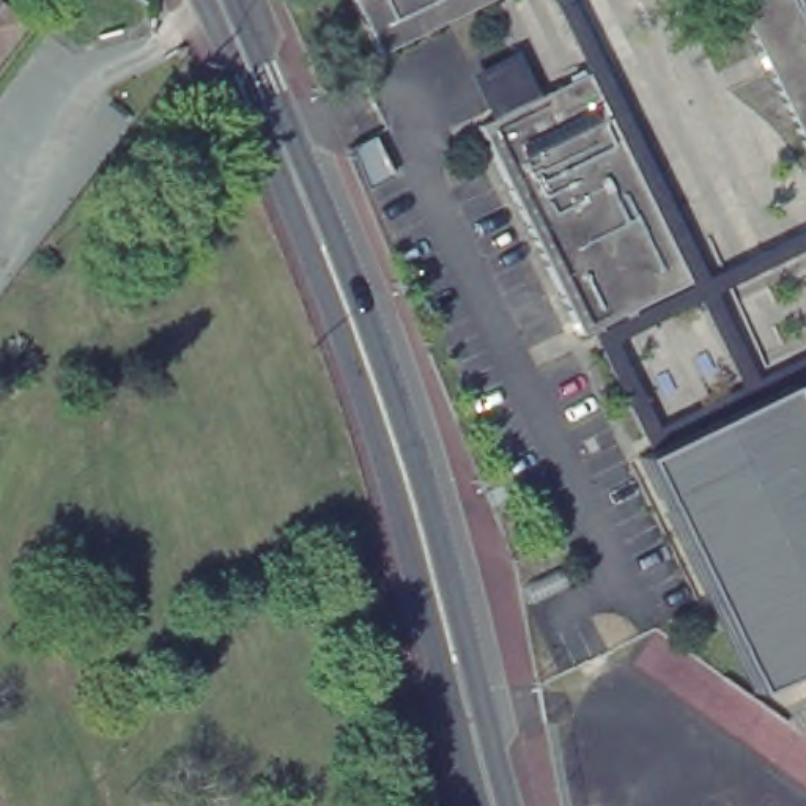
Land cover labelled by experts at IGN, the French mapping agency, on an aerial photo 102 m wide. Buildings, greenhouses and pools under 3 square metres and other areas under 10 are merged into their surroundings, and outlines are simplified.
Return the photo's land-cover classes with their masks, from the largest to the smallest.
<instances>
[{"label":"impervious surface","instance_id":"1","mask_svg":"<svg viewBox=\"0 0 806 806\"><path fill-rule=\"evenodd\" d=\"M154 19L142 25L104 31L91 44H69L60 35L47 38L0 101V293L31 264L35 249L41 246V239L54 233L60 217L72 208L94 176L98 164L116 148L120 135L132 126L126 116V101L110 104V85L135 72H145L157 63L189 60V72L198 85H230L242 110L261 116L264 154H280V167L268 173V189L258 192L274 227L280 255L287 261V271L305 305L337 403L343 409L346 431L365 482L362 501H372L381 516L403 644V652L397 655L403 677L400 686L387 696V702L400 724L425 734V768L431 775V787L416 793L419 806H806V680L790 690H781L778 699L765 690H740L699 655H683L671 649L667 630L661 627L667 620H677L674 608L696 598L686 567L680 560L664 557V548L674 545L671 532L661 529L655 504L645 501V491L630 475L627 453L636 447L645 450L649 434L642 419L630 409L620 422H608L598 412V403L605 400V384L592 372V349L570 353V343L560 337L564 327L548 302V290L542 277L532 271V261L526 258L529 246L519 227L510 220V211L501 205L488 170L472 183H460L453 173L444 170V148H453L457 142L469 139L479 142L482 135V129L491 126L501 113L488 107V98L479 85L482 66L494 69L510 57H523L535 88L542 94H551L567 88L570 79L564 72L573 63H582V47L557 0H519L513 13H497V28L507 35V44L497 54H479L472 28H460L457 35L450 28L434 31V38L425 41L419 54L394 63L390 79L381 76V94L372 85L359 82L346 91L327 88L334 85V72L321 60L315 63L305 41V35L296 31L293 13L287 9L293 0H148ZM368 142H381L394 164L384 183L372 179L365 167L362 145ZM394 252H403L412 274L428 290V302L444 315V340L457 359L460 381L479 397L475 412L491 416L504 453L510 457V463H516L519 485L532 488L560 519L564 548L576 554L589 570H595L586 589L573 592L567 586L557 595L529 608V620L532 627H538L551 661L560 671L579 664L582 674L592 677V686L582 696L551 693L542 680L532 686V661L526 639L519 633L516 601L513 589V567L523 560L510 545L507 516L501 510L507 491L488 488L479 479L475 460L466 453L457 416L450 412L447 384L431 353H425V343L416 337L409 324V312L403 305L406 283H394L387 271ZM601 614L623 617L630 627H636L630 633L633 645L611 667L601 658L605 639L595 630V617ZM696 214V224L712 249V258L727 261L771 236H781L806 224V151L784 148L778 132L734 94L737 85L759 79L765 69L759 66V57H746L734 66L715 69L705 50L702 44H690L683 50H671L667 19L655 16L658 0H589ZM768 368L806 349V252L765 268L762 274L743 280L730 293ZM633 349L642 368L649 372L652 384L658 387V397L667 412L686 409L699 400L705 406H715L730 394L734 384H740V365L724 346L712 315L693 312L671 318L658 327L639 331L633 337Z\"/></svg>","mask_w":806,"mask_h":806},{"label":"herbaceous vegetation","instance_id":"2","mask_svg":"<svg viewBox=\"0 0 806 806\"><path fill-rule=\"evenodd\" d=\"M154 19L148 0H79L76 16L66 22L60 35L69 44H91L104 31L142 25ZM287 9L293 13L296 31L305 35V41L315 44L334 25L356 28L362 22L353 0H293ZM771 47L756 22L743 44H721L705 50L715 69L734 66L746 57H768ZM198 85L189 72V60L157 63L145 72H135L110 85V104L126 101V116L132 126L120 135L116 148L98 164L94 176L120 167L132 151V142L167 145V129L173 123H154L157 104L173 101L179 91ZM734 94L778 132L784 148L806 151V120L800 101L787 88L784 72H778L775 66L765 69L759 79L737 85ZM35 340L47 353L44 368L22 375L9 394H0V677L22 658L16 649L3 645L6 623L19 614V608L9 598L13 557L22 551L28 538H35L54 519L66 529L69 538L85 542L88 560L126 570L132 623L145 627L151 623V601L161 608L164 601H173L179 592L198 586L189 570L208 554L252 551L264 564L268 557L290 554L293 545L287 538H274V532L296 510L309 507L324 529L353 532L349 551L356 554L362 579L372 586L375 595L372 605L362 611L368 614V627L375 630V636L397 642V655L403 652V644L381 516L372 501H362L365 482L346 431L343 409L337 403L305 305L287 271V261L280 255L274 227L258 192L249 198L246 214L239 217L236 242L224 249L208 246L202 258L189 268L183 287L161 302L129 290L120 296H94L82 287V280L66 277L63 268L57 274H47L31 264L0 293V346L19 349ZM142 346L151 372L170 365L176 390H164L161 397L142 400L135 390L120 384L113 360L116 349ZM66 365L91 368L101 381L120 384L116 397L107 403V409H101L98 419L66 422L60 416L63 400L57 381ZM88 217H82L72 208L60 217L54 233L41 239V246L60 249L66 258L85 242ZM557 576L551 564L523 560L513 567V589L523 582L538 586ZM677 620L696 617L712 630L699 655L740 690H756L752 680L743 674V661L737 658L730 639L715 627V608L696 598L674 608ZM519 633L526 639L532 661V686L542 680L551 693L582 696L592 686V677L582 674L579 664L560 671L551 661L538 627H532L529 620V608L516 601ZM595 630L605 639L601 658L611 667L633 645L630 633L636 627H630L623 617L601 614L595 617ZM148 645L154 655L167 652L179 658L183 667L208 671L205 683L198 686L205 693V702L198 708L195 724L173 708L161 718H151L132 740H98L94 734L82 730L76 718L72 693L79 671L63 661L22 664V705L9 715V721H0V806H170L132 797V790L139 787V775L145 768L157 771L164 752L176 746H186L198 762H211V771L224 778L230 790L239 797H246L252 787H274L296 800L324 793V762L337 746L340 721L331 718L305 693V671L312 652L309 639L299 633L261 636L246 630L233 639L217 636L214 642L186 639L170 630L151 636Z\"/></svg>","mask_w":806,"mask_h":806},{"label":"deciduous trees","instance_id":"3","mask_svg":"<svg viewBox=\"0 0 806 806\"><path fill-rule=\"evenodd\" d=\"M79 0H9V9L22 28L41 31L47 38L60 35L66 22L76 16ZM765 0H658L655 16L667 19L671 50H683L690 44H702L705 50L721 44H743L756 22ZM368 38L362 22L356 28L334 25L315 44L305 41L315 63L321 60L334 72V85L327 88L346 91L359 82L372 85L381 94V76L375 57H359V44ZM154 123H173L167 129V145L132 142V151L120 167L94 176L72 208L82 217H88L85 242L66 258L60 249L41 246L35 249L31 264L47 274H57L63 268L66 277L82 280V287L94 296H120L129 290L161 302L183 287L189 268L202 258L208 246L224 249L236 242L239 217L246 214L249 198L258 192L268 189V173L280 167V154H264L261 116L242 110L230 85H198L179 91L173 101L157 104ZM387 271L394 283H406L403 305L409 312V324L416 337L425 343V353H431L447 384L450 412L457 416L466 453L475 460L479 479L488 488L507 491L501 510L507 516L510 545L523 560L551 564L557 576H564L567 586L573 592L586 589L595 570H589L576 554L564 548L560 519L532 488L519 485L516 463H510V457L504 453L491 416L475 412L479 397L460 381L457 359L444 340V315L428 302V290L412 274L403 252H394ZM47 353L35 340L19 349L0 346V394H9L22 375L44 368ZM113 360L120 384L135 390L142 400L161 397L164 390H176L170 365L151 372L142 346L116 349ZM120 384L101 381L91 368L66 365L57 381L63 400L60 416L66 422L98 419L101 409H107V403L116 397ZM598 412L608 422H620L630 409V403L617 390V381L605 384V400L598 403ZM274 538H287L293 545L290 554L268 557L264 564L252 551L208 554L189 570L198 586L179 592L173 601H164L161 608L151 601V623L145 627L132 623L126 570L88 560L85 542L69 538L66 529L54 519L35 538H28L22 551L13 557L9 598L19 608V614L6 623L3 645L16 649L22 658L0 677V721H9V715L22 705V664L63 661L79 671L72 693L76 718L82 730L94 734L98 740H132L151 718H161L173 708L195 724L198 708L205 702V693L198 686L205 683L208 671L183 667L179 658L167 652L154 655L148 645L151 636L170 630L186 639L214 642L217 636L233 639L246 630L261 636L299 633L309 639L312 652L305 671V693L331 718L340 721L337 746L324 762V793L296 800L274 787H252L246 797H239L230 790L224 778L211 771V762H198L186 746H176L164 752L157 771L145 768L139 775V787L132 790V797L170 806H419L416 793L431 787V775L425 768V734L400 724L387 702V696L400 686L403 677L397 655V642L375 636V630L368 627V614L362 611L372 605L375 595L372 586L362 579L356 554L349 551L353 532L324 529L309 507L296 510L274 532ZM667 630L671 649L683 655H699L712 630L696 617L677 620H667L661 627Z\"/></svg>","mask_w":806,"mask_h":806},{"label":"building","instance_id":"4","mask_svg":"<svg viewBox=\"0 0 806 806\"><path fill-rule=\"evenodd\" d=\"M22 44V28L9 9V0H0V69ZM362 22L368 38L359 44V57H375L381 76L390 79L394 63L419 54L425 41L434 38V31L450 28L457 35L460 28H472L482 9L491 6L497 13H513L519 0H353ZM582 47V63H573L564 72L570 79L567 88L551 94H542L535 88L523 57H510L494 69L482 66L479 85L488 98V107L501 113L491 126L482 129V135L491 148L488 170L501 205L510 211V220L519 227L529 246L526 258L532 261V271L542 277L548 290V302L564 327L560 337L570 343V353L592 349V372L605 384L617 381V390L630 403V409L642 419L649 434L645 450L636 447L627 453L630 475L645 491V501L655 504L661 529L671 532L674 545L664 548V557L680 560L686 567L696 598L715 608V627L730 639L737 658L743 661V674L752 680L756 690H765L778 699L781 690H790L806 680V349L768 368L730 293L743 280L762 274L765 268L806 252V224L781 236H771L727 261L712 258V249L696 224V214L589 0H557ZM693 312L712 315L724 346L740 365V384H734L730 394L715 406H705L699 400L686 409L667 412L658 397V387L652 384L649 372L642 368L633 349V337L639 331L658 327L671 318ZM771 47L768 57H759V66L765 69L775 66L778 72H784L787 88L800 101L806 120V0H765L756 22ZM365 167L372 179L384 183L394 164L381 142H368L362 145ZM567 586L564 576H557L538 586L523 582L513 589L516 601L529 608L557 595Z\"/></svg>","mask_w":806,"mask_h":806},{"label":"coniferous trees","instance_id":"5","mask_svg":"<svg viewBox=\"0 0 806 806\"><path fill-rule=\"evenodd\" d=\"M479 54H497L507 44V35L497 28V13L491 6L482 9L472 28ZM491 148L482 135L479 142L469 139L457 142L453 148H444V170L453 173L460 183H472L488 170Z\"/></svg>","mask_w":806,"mask_h":806},{"label":"brushwood","instance_id":"6","mask_svg":"<svg viewBox=\"0 0 806 806\"><path fill-rule=\"evenodd\" d=\"M47 38L41 31L22 28V44L0 69V101Z\"/></svg>","mask_w":806,"mask_h":806}]
</instances>
